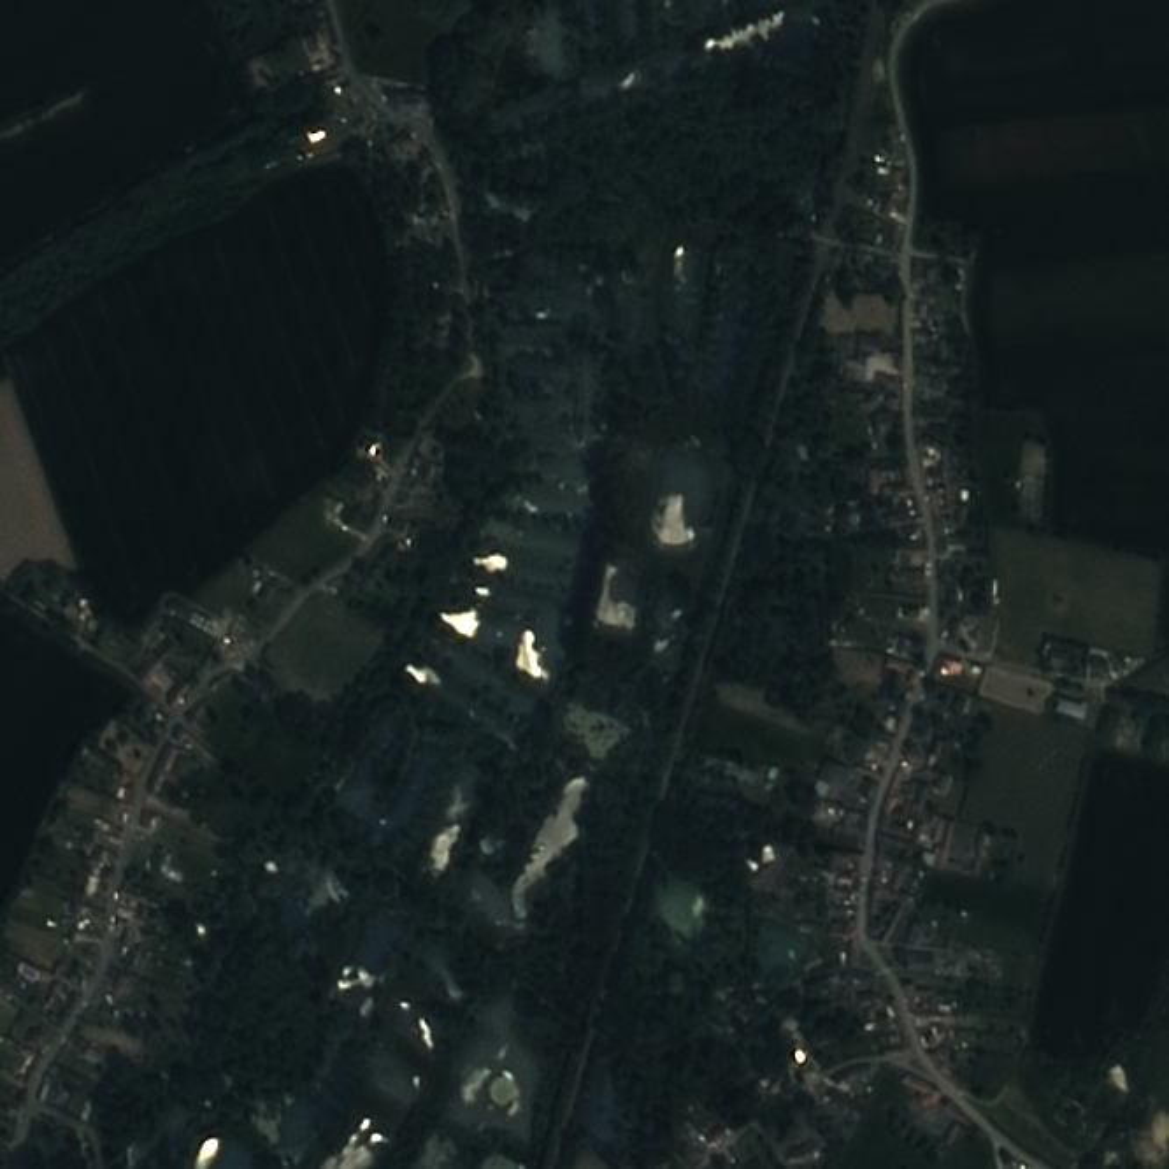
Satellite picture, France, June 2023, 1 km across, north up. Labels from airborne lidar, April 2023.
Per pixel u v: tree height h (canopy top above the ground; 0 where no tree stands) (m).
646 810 10
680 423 0
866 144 0
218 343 0
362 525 0
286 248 0
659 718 7
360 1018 19
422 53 0
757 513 7
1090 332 0
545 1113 12
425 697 13
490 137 24
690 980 21
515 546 0
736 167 10
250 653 0
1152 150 0
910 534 8
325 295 0
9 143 0
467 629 0
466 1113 0
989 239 0
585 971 19
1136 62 0
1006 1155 10
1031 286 0
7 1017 0
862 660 0
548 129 9
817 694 27
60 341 0
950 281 11
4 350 0
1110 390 0
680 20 8
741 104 20
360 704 11
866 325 0
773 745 0
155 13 0
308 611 0
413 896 28
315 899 0
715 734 0
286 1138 0
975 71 0
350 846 20
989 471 0
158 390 0
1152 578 0
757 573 9
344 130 0
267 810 8
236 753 0
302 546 0
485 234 33
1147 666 0
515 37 0
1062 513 0
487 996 6
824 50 27
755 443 31
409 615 7
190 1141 8
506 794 20
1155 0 0
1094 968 0
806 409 15
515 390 19
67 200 0
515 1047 0
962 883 0
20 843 0
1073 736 0
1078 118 0
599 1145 7
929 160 0
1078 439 0
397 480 0
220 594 0
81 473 0
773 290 17
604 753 0
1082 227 0
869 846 0
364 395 0
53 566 13
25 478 0
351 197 0
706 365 15
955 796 0
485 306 7
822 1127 9
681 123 8
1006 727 0
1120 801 0
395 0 0
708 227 0
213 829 0
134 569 0
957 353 9
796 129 28
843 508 8
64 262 7
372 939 0
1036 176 0
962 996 5
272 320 0
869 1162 0
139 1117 25
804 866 0
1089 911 0
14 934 0
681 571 0
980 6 0
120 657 0
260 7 8
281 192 0
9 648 0
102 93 0
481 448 32
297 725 16
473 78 36
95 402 0
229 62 0
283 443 0
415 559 9
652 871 19
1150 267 0
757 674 17
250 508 0
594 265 13
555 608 0
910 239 0
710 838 37
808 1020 13
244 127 10
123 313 0
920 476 0
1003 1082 0
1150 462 0
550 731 28
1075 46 0
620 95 13
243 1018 6
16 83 0
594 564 25
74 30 0
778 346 9
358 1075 29
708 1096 8
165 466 0
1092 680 0
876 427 0
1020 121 0
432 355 18
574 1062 9
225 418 0
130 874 8
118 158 0
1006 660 0
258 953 8
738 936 16
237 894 27
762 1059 23
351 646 0
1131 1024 0
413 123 0
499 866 14
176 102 0
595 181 12
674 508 0
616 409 21
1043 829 0
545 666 0
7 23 0
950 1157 0
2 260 0
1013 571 0
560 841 0
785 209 12
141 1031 27
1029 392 0
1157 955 0
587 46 7
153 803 0
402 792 0
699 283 0
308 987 5
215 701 0
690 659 10
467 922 21
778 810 17
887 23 0
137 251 7
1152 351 0
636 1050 27
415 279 19
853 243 6
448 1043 9
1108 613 0
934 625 0
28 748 0
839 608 13
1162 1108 0
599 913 27
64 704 0
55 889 0
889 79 0
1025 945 0
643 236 7
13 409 0
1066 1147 0
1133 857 0
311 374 0
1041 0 0
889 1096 0
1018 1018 0
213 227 0
